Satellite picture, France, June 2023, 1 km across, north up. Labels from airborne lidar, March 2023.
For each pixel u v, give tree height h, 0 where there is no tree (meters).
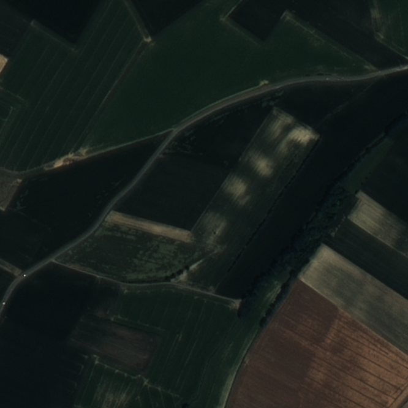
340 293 0
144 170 0
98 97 0
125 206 0
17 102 0
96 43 0
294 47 0
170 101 0
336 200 15
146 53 0
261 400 0
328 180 0
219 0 0
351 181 0
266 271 0
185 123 0
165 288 0
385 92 0
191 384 0
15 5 0
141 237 0
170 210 0
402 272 0
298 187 0
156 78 0
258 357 0
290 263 18
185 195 0
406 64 0
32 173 0
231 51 0
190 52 0
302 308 0
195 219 0
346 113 0
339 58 0
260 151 0
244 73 0
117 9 0
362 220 0
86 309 0
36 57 0
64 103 0
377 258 0
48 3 0
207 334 0
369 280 0
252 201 0
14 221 0
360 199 0
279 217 0
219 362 0
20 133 0
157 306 0
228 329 0
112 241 0
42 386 0
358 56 0
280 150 0
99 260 0
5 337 0
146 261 0
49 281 0
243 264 0
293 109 0
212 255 0
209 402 0
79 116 0
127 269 0
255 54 0
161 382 0
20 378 0
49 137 0
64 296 0
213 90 0
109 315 0
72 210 0
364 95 0
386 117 0
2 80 0
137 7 0
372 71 0
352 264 0
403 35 0
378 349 0
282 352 0
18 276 0
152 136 0
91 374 0
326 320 0
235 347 0
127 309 0
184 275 0
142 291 0
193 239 0
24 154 0
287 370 0
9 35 0
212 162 0
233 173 0
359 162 11
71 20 0
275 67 0
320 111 0
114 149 0
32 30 0
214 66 0
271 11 0
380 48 0
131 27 0
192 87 0
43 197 0
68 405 0
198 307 0
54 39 0
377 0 0
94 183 0
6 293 0
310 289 0
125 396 0
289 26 0
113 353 0
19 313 0
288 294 0
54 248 0
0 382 0
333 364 0
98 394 0
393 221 0
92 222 0
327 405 0
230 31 0
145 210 0
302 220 0
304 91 0
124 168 0
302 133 0
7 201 0
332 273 0
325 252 0
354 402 0
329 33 0
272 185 0
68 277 0
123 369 0
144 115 0
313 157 0
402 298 0
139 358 0
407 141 0
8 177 0
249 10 0
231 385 0
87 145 0
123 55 0
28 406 0
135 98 0
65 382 0
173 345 0
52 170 0
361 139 0
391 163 0
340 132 0
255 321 0
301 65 0
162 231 0
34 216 0
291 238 0
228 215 0
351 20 0
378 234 0
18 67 0
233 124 0
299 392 0
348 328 0
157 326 0
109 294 0
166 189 0
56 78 0
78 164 0
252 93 0
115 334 0
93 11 0
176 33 0
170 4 0
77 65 0
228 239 0
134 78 0
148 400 0
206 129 0
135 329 0
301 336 0
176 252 0
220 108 0
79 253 0
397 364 0
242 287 0
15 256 0
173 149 0
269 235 0
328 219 12
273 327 0
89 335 0
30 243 0
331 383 0
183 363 0
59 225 0
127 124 0
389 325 0
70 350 0
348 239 0
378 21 0
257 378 0
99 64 0
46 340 0
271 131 0
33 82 0
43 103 0
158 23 0
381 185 0
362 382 0
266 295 0
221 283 0
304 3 0
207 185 0
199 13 0
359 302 0
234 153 0
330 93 0
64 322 0
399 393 0
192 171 0
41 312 0
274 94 0
